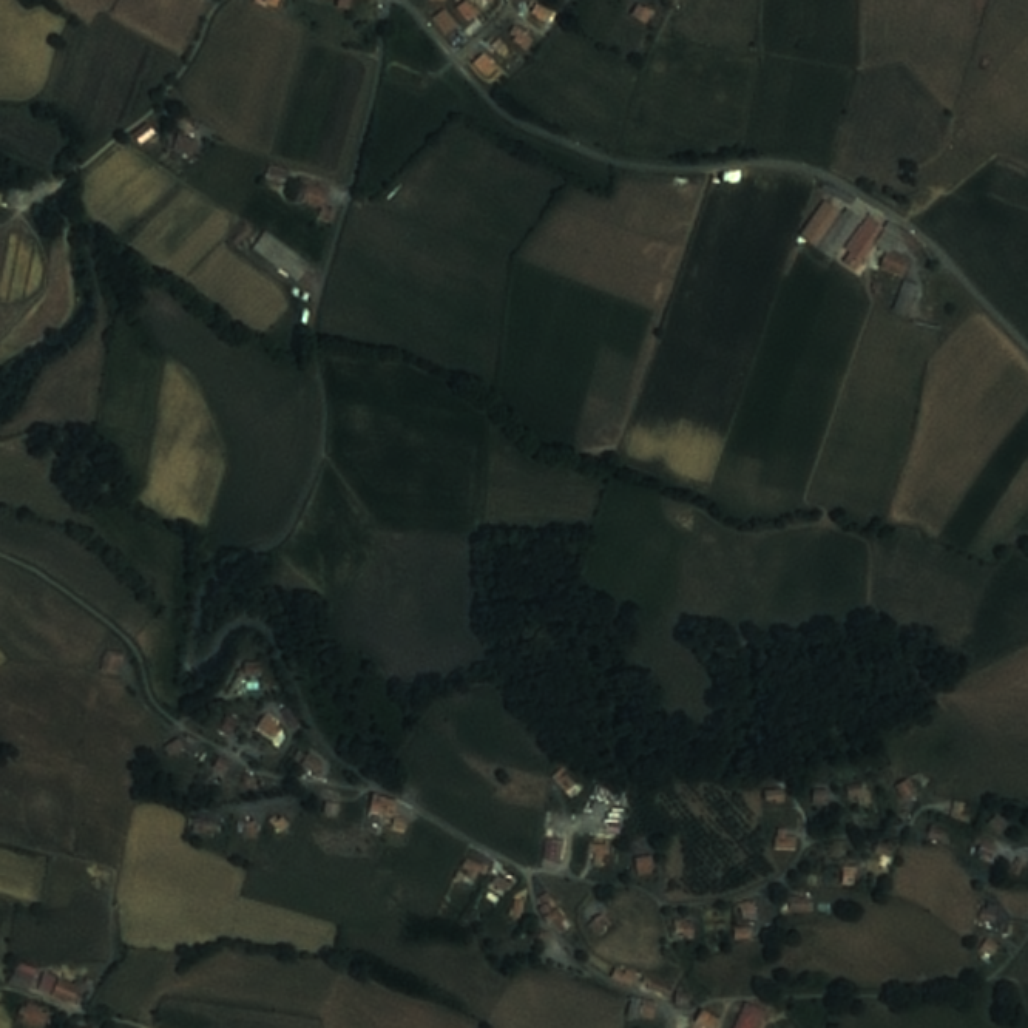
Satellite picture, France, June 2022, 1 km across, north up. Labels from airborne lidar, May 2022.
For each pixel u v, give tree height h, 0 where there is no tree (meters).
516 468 0
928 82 0
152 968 0
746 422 0
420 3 0
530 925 16
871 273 0
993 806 21
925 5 0
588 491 0
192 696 10
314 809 15
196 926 0
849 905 12
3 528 0
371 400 0
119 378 0
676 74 0
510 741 0
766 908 0
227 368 0
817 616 0
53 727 0
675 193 0
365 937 0
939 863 0
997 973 0
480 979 0
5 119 0
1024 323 0
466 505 0
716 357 0
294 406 0
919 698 22
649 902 0
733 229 0
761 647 21
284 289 0
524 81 0
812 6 0
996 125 0
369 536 0
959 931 0
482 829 0
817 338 0
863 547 0
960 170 0
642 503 0
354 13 8
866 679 19
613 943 0
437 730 0
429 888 0
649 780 21
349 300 0
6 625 0
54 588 0
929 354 0
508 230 0
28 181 7
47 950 0
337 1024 0
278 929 0
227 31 0
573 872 0
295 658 19
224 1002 0
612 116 0
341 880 0
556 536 17
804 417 0
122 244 16
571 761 18
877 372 0
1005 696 0
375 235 0
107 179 0
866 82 0
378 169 0
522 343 0
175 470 0
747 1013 0
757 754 24
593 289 0
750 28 0
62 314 0
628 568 0
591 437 0
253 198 0
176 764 0
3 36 0
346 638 0
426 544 0
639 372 0
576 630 9
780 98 0
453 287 0
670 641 0
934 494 0
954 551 7
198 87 0
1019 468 0
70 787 0
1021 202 0
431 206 0
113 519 0
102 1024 8
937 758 0
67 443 16
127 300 21
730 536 0
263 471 0
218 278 0
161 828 0
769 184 0
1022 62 0
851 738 19
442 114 0
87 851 0
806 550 0
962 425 0
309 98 0
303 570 0
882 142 0
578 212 0
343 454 0
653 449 0
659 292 0
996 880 21
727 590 0
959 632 0
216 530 0
